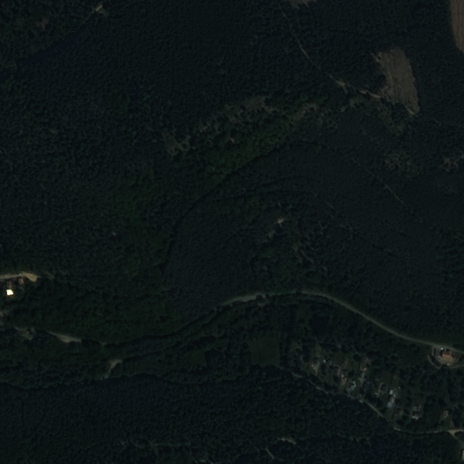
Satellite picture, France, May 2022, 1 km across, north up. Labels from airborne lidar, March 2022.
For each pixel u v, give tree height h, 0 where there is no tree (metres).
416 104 0
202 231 30
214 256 32
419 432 14
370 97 17
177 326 11
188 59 15
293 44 20
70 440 24
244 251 23
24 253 25
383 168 7
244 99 8
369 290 17
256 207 17
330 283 6
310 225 21
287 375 23
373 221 20
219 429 27
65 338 0
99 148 18
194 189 21
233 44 15
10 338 22
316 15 20
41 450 25
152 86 11
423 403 0
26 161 18
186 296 31
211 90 12
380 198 17
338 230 19
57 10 24
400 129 0
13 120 21
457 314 23
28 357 10
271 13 20
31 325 14
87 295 28
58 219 25
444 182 7
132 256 19
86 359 16
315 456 32
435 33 19
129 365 17
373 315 21
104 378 0
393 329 12
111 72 23
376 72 20
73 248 23
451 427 0
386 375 0
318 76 16
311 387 31
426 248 17
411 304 19
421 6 23
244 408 26
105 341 10
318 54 19
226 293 26
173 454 17
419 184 10
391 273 20
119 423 25
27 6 27
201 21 16
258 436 28
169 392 26
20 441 27
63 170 20
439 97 21
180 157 21
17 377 26
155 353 23
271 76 22
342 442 25
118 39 16
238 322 12
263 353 0
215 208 21
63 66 33
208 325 21
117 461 12
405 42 19
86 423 27
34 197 24
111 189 16
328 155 18
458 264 18
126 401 29
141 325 30
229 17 15
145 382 25
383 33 18
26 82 26
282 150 17
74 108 24
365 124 6
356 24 22
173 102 13
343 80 16
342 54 22
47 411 27
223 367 25
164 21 12
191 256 30
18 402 22
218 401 23
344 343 24
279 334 22
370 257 18
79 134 17
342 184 19
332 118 6
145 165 12
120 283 22
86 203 22
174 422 26
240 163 12
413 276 20
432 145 19
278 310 21
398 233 15
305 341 28
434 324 20
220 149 27
